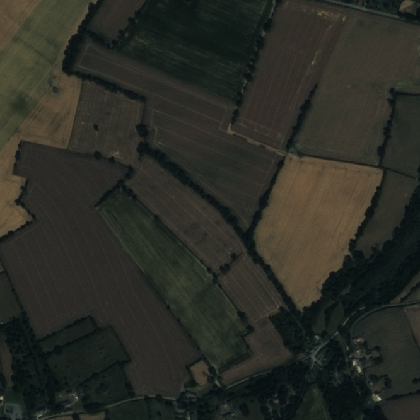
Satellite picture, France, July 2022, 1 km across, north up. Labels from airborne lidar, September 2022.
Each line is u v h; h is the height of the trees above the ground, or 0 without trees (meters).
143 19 0
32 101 0
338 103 0
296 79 0
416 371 0
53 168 0
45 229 0
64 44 0
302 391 17
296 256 0
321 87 0
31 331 12
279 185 0
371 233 0
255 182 0
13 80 0
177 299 0
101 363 0
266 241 0
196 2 0
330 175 0
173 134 0
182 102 0
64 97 0
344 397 21
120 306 0
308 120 0
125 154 0
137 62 0
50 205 0
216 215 0
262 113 0
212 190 0
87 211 0
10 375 0
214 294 0
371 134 0
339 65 0
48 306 0
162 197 0
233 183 0
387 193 0
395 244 19
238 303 0
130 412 0
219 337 0
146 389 0
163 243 0
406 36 0
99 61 0
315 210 0
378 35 0
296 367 17
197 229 0
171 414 0
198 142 0
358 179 0
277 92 0
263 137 0
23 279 0
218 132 0
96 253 0
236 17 0
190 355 0
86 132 0
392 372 0
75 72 6
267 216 0
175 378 0
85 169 0
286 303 12
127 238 0
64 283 0
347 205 0
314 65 0
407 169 0
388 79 0
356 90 0
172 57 0
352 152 0
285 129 0
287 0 0
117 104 0
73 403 0
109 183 0
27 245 0
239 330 0
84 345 6
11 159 0
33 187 0
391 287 13
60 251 0
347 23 0
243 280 0
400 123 0
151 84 0
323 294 15
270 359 0
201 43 0
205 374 0
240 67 0
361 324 0
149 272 0
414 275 7
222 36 0
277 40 0
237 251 0
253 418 0
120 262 0
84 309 0
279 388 6
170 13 0
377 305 15
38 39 0
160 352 0
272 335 0
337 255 0
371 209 13
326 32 0
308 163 0
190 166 0
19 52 0
